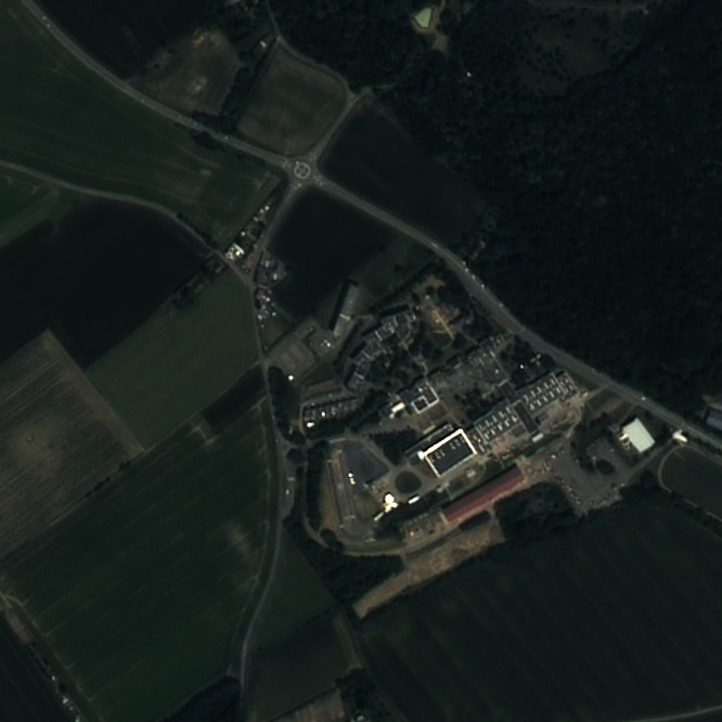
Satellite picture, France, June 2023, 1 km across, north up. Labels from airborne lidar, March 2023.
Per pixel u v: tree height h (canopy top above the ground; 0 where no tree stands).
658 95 22
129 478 0
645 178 25
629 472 0
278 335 0
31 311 0
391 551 0
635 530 0
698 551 0
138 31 0
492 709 0
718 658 0
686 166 22
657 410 0
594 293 26
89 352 0
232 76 0
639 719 0
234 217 0
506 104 16
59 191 0
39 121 0
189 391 0
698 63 21
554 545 0
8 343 0
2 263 0
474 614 0
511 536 11
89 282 0
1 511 0
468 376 0
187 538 0
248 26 12
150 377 0
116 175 0
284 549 0
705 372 20
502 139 23
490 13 18
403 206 0
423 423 0
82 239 0
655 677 0
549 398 0
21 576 0
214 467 0
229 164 0
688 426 0
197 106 0
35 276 0
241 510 0
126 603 0
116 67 0
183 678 0
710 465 0
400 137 0
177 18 0
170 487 0
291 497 0
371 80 15
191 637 0
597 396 0
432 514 0
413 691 0
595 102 19
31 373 0
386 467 0
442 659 0
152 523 0
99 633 0
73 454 0
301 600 0
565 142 24
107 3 0
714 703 0
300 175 0
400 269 11
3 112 0
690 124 23
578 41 0
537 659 0
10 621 0
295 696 0
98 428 0
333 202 0
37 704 0
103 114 0
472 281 0
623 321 24
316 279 0
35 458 0
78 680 0
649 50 19
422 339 14
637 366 8
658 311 26
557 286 23
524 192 24
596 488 0
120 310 0
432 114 24
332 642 0
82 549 0
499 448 0
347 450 0
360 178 0
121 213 0
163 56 0
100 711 0
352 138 0
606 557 0
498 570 0
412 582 0
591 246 20
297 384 0
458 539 0
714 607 0
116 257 0
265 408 0
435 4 0
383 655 0
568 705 0
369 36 24
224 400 0
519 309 14
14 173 0
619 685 0
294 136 0
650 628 0
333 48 19
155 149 0
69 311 0
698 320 26
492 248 18
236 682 12
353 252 0
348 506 0
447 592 0
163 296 0
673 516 0
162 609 0
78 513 0
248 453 0
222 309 0
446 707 0
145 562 0
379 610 10
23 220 0
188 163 0
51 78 0
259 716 0
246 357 0
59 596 0
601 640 0
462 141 24
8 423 0
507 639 0
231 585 0
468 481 0
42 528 0
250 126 0
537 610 0
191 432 0
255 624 0
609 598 0
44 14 0
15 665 0
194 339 0
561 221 25
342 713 0
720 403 0
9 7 0
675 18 16
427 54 18
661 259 21
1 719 0
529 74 0
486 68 15
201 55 0
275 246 0
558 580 0
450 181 0
